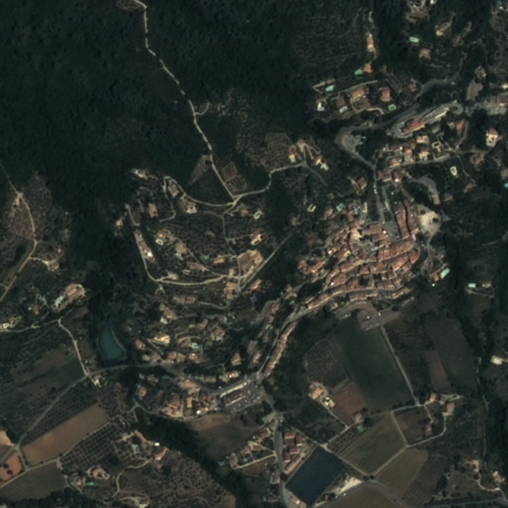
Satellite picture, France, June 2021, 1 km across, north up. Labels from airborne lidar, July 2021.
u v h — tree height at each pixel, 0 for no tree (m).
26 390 0
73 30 7
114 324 7
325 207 6
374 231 0
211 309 7
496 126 8
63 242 7
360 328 0
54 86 9
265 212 6
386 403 0
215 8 19
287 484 0
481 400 6
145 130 12
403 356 0
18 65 7
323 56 5
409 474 0
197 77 6
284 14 13
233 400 0
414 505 0
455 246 18
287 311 7
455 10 18
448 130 9
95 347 7
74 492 6
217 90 17
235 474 19
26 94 9
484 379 13
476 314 0
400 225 0
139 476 0
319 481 0
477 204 6
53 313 11
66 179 14
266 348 7
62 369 0
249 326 8
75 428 0
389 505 0
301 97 7
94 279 11
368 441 0
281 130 6
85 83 17
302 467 0
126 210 10
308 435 7
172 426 10
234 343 7
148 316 7
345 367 0
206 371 7
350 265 0
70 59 6
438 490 8
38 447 0
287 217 6
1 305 6
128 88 18
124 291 8
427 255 7
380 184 13
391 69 13
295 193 6
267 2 16
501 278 9
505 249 8
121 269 8
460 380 0
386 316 0
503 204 16
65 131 7
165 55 6
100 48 13
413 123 0
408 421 0
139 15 15
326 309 16
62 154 19
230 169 0
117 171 8
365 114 13
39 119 13
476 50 18
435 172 10
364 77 8
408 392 0
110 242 15
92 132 7
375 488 0
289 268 10
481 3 23
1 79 9
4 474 0
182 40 15
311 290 14
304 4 17
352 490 0
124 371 7
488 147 6
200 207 10
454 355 0
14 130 8
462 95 8
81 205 17
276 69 8
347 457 0
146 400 6
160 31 7
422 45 8
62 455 7
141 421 8
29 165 6
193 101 8
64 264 9
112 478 0
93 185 14
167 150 6
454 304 7
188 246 6
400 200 8
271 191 6
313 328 0
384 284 0
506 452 13
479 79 11
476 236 11
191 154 7
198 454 11
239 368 10
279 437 0
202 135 9
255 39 15
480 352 10
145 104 7
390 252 0
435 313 9
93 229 11
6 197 6
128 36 7
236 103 6
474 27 14
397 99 13
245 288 6
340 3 20
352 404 0
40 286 5
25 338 6
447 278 7
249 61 16
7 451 0
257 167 7
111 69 7
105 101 9
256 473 0
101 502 7
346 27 11
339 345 0
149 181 6
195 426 0
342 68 7
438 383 0
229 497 0
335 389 0
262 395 0
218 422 0
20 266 0
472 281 9
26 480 0
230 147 5
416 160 7
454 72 7
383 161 11
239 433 0
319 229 15
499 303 17
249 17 9
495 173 6
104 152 6
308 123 21
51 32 15
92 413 0
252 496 6
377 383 0
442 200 11
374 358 0
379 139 16
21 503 13
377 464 0
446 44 13
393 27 23
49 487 0
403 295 8
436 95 13
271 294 15
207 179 0
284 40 7
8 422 8
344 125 19
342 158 12
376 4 19
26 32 21
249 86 14
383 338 0
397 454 0
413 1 6
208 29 23
